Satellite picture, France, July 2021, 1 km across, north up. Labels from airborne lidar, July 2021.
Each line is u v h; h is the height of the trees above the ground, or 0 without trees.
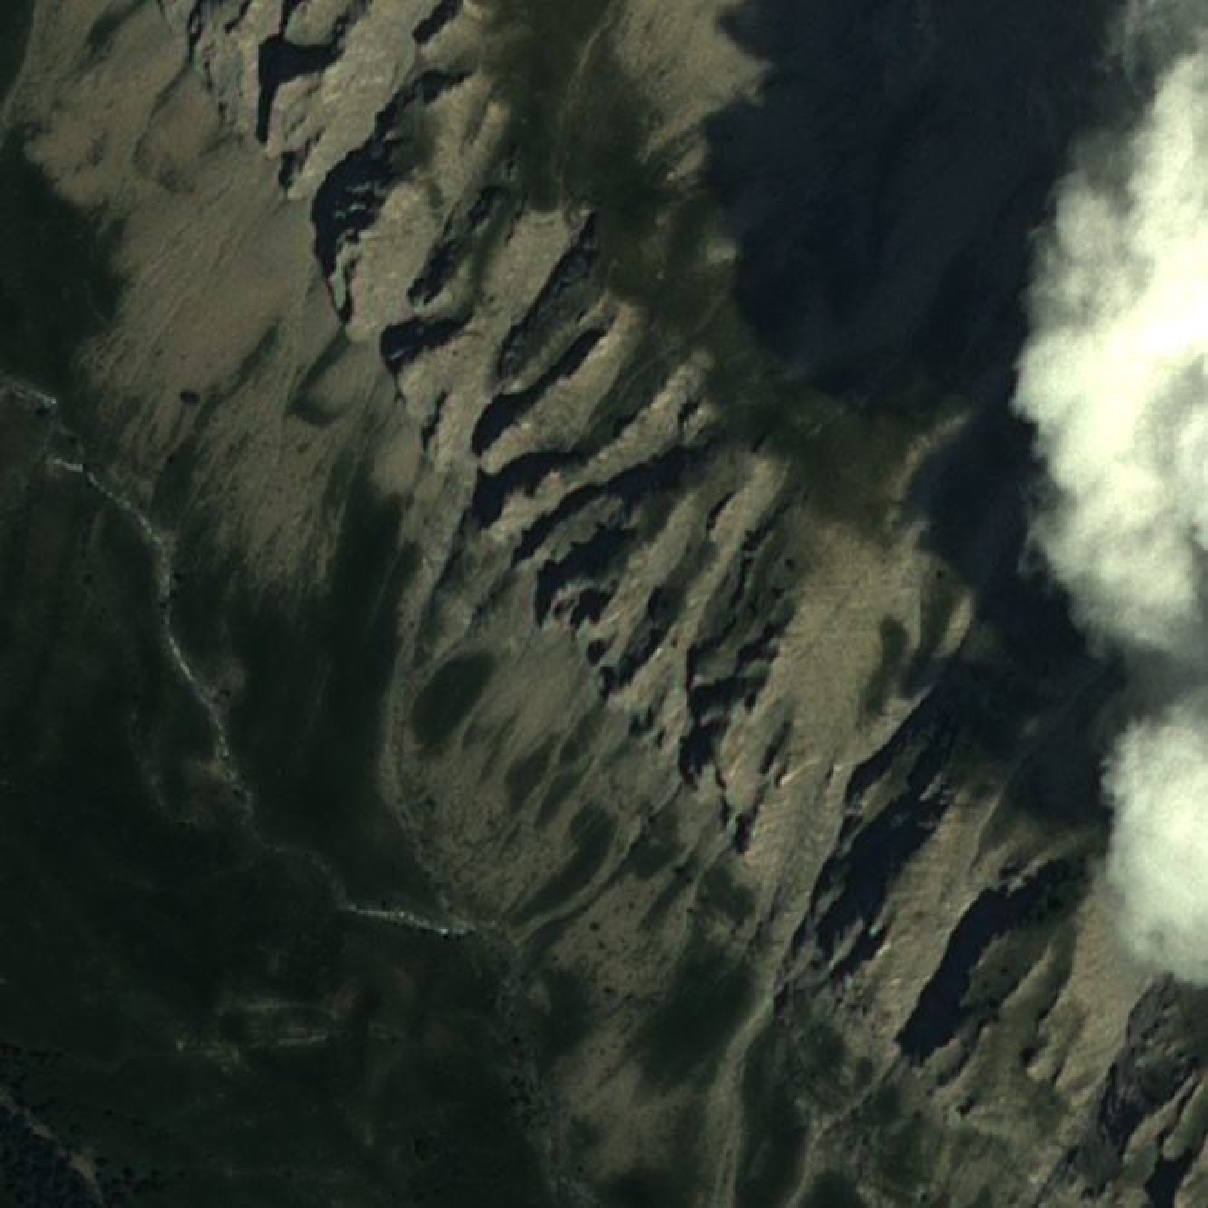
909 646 0
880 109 0
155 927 0
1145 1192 0
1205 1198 0
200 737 0
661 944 0
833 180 0
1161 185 0
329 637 0
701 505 0
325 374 0
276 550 0
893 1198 0
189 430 0
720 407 0
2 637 0
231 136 0
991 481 0
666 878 0
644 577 0
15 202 0
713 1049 0
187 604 0
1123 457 0
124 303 0
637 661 0
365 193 0
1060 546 0
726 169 0
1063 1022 0
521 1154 0
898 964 0
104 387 0
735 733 0
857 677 0
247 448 0
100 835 0
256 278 0
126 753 0
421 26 0
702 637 0
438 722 0
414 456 0
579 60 0
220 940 0
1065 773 0
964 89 0
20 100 0
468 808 0
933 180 0
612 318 0
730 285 0
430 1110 0
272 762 0
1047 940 0
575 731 0
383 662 0
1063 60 0
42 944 0
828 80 0
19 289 0
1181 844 0
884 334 0
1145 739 0
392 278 0
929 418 0
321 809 0
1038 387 0
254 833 0
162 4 0
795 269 0
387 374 0
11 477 0
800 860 0
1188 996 0
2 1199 0
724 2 0
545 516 0
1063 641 0
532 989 0
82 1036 0
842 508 0
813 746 0
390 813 0
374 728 0
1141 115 0
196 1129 0
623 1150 0
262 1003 0
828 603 0
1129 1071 0
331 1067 0
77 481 0
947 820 0
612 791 0
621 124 0
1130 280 0
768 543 0
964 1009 9
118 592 0
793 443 0
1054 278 0
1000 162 0
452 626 0
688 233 0
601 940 0
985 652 0
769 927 0
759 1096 0
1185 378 0
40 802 0
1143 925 0
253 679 0
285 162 0
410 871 0
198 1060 0
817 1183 0
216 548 0
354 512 0
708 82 0
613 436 0
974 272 0
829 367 0
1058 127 0
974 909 0
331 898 0
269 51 0
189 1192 0
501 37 0
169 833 0
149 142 0
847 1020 0
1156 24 0
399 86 0
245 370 0
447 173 0
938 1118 0
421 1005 0
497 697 0
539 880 0
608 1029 0
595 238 0
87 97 0
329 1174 0
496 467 0
